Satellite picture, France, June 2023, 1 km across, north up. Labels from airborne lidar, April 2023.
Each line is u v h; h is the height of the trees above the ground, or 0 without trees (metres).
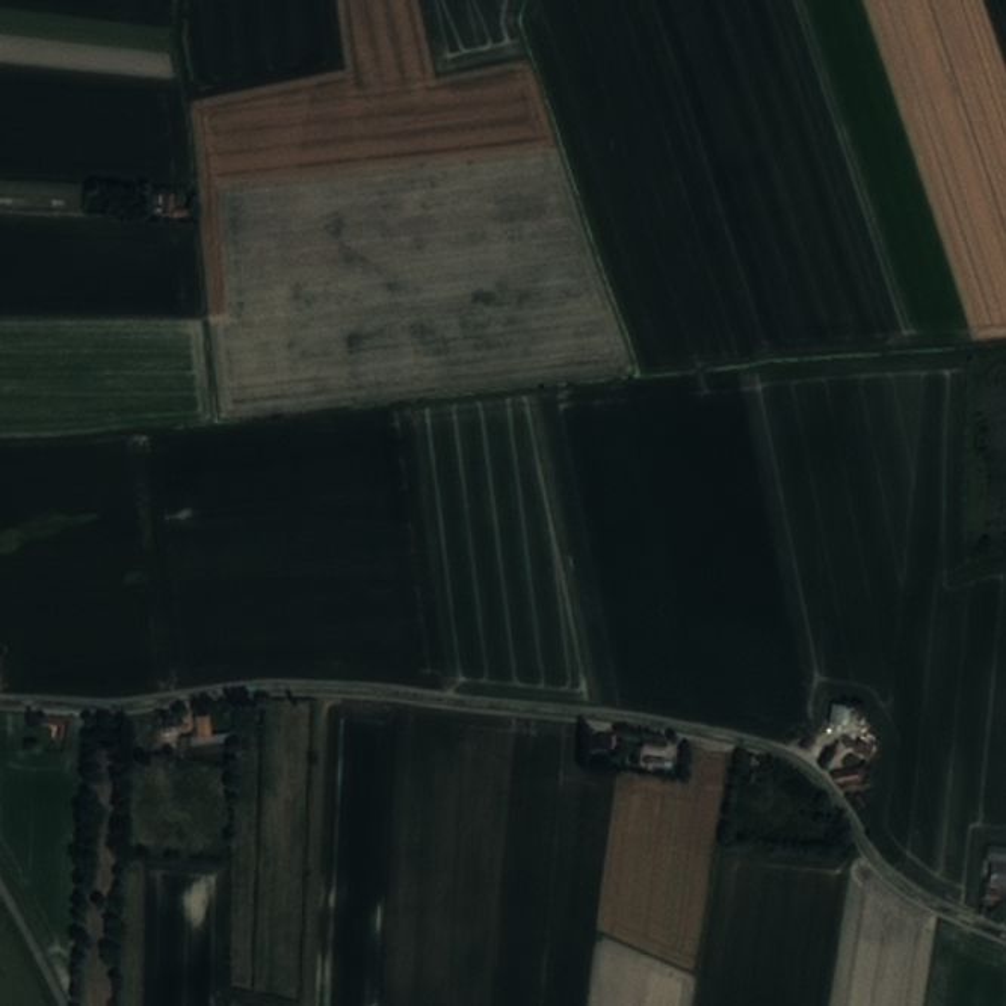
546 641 0
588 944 0
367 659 0
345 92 0
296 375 0
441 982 0
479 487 0
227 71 0
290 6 0
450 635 0
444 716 0
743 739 0
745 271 0
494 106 0
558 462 0
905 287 0
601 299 0
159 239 0
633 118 0
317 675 0
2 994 0
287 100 0
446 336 0
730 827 12
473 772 0
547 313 0
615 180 0
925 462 0
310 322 0
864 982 0
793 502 0
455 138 0
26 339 0
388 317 0
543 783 0
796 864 0
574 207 0
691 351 0
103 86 0
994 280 0
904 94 0
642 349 0
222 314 0
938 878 0
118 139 0
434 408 0
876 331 0
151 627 0
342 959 0
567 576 0
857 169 0
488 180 0
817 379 0
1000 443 0
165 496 0
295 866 0
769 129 0
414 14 0
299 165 0
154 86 0
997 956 0
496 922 0
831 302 0
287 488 0
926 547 0
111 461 0
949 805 0
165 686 0
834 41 0
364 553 0
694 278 0
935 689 0
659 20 0
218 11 0
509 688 0
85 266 0
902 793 0
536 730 0
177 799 0
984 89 0
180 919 0
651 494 0
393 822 0
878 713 0
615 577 0
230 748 14
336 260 0
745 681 0
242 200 0
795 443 0
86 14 0
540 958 0
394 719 0
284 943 0
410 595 0
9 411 0
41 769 0
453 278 0
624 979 0
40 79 0
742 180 0
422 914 0
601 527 0
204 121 0
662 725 0
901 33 0
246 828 0
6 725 0
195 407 0
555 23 0
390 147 0
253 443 0
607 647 0
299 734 0
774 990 0
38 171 0
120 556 0
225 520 0
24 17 0
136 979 0
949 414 0
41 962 0
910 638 0
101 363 0
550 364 0
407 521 0
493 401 0
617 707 0
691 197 0
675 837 0
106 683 0
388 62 0
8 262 0
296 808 0
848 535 0
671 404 0
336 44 0
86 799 20
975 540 0
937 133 0
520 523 0
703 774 0
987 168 0
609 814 0
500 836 0
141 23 0
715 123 0
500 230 0
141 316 0
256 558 0
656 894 0
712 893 0
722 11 0
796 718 0
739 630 0
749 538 0
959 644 0
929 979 0
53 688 0
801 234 0
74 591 0
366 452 0
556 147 0
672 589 0
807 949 0
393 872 0
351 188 0
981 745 0
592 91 0
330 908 0
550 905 0
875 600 0
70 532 0
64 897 0
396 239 0
